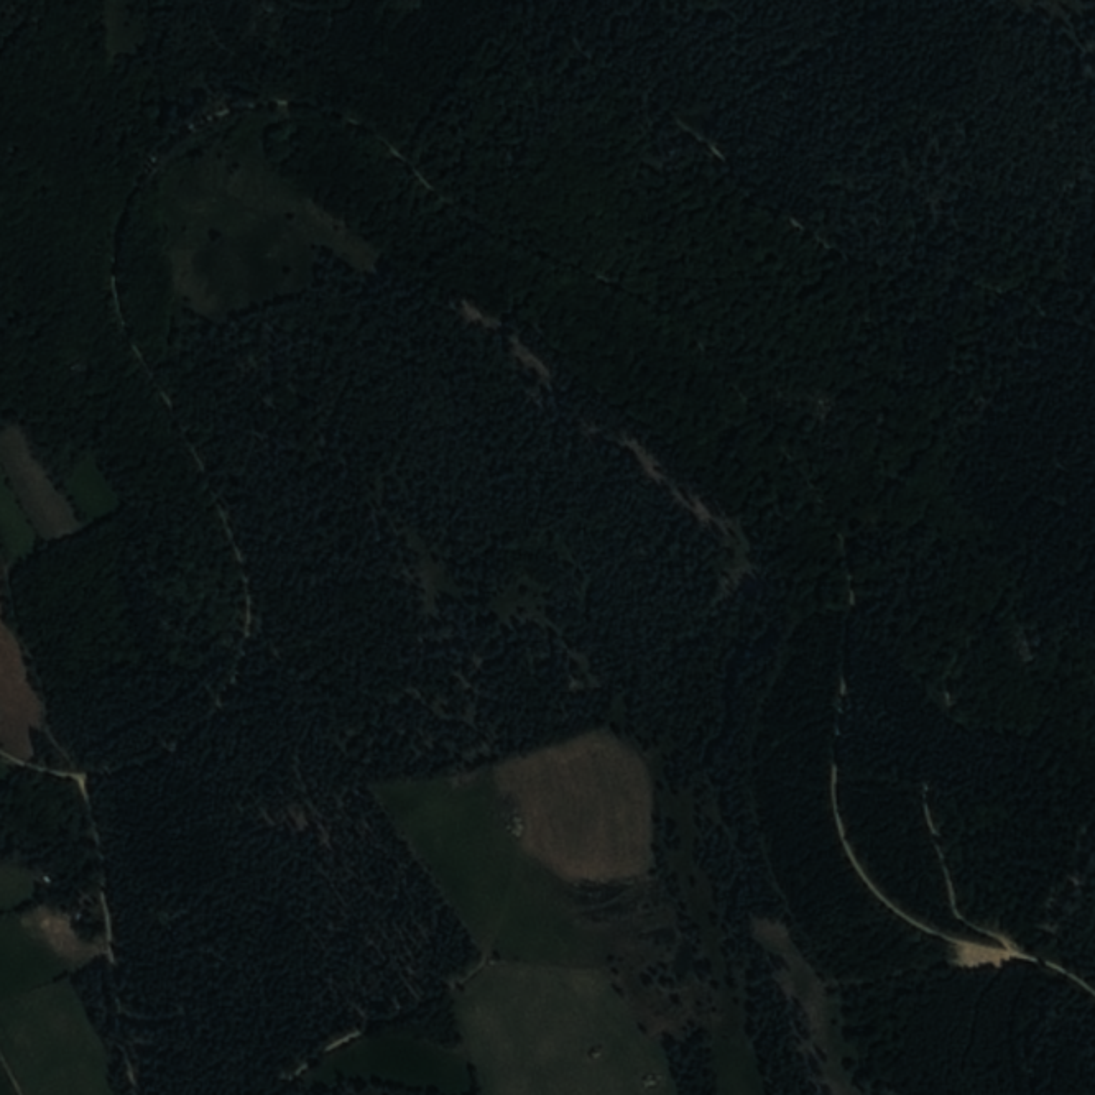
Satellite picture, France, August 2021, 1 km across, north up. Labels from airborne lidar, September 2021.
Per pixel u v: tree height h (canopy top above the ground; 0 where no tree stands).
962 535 14
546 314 19
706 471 24
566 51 15
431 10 10
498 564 15
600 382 21
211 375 14
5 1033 0
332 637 11
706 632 14
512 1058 0
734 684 28
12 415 17
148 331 16
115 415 18
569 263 8
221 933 24
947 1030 13
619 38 20
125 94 14
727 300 12
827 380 15
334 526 18
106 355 11
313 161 17
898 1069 13
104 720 9
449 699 12
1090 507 19
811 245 16
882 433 14
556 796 0
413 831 0
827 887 11
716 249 18
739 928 20
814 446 17
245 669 21
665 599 16
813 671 8
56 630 11
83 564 12
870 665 23
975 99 11
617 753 0
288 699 21
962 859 10
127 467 15
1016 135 7
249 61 8
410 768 14
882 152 20
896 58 20
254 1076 24
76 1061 0
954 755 22
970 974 12
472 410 16
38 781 6
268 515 11
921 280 18
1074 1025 13
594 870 0
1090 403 20
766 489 19
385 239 16
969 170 6
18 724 0
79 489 0
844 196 11
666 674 19
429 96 9
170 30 14
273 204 0
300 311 10
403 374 12
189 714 26
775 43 19
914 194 11
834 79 23
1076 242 13
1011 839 20
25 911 9
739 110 19
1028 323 21
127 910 22
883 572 7
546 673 11
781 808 10
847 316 17
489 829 0
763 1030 8
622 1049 0
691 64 13
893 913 8
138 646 17
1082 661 17
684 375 18
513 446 22
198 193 0
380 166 16
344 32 10
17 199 15
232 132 16
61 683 11
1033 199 15
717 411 21
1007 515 16
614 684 11
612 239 13
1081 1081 20
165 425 14
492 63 6
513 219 16
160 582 12
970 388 20
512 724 15
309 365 11
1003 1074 15
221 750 23
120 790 17
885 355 16
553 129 17
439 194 11
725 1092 0
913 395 18
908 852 9
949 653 9
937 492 15
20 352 12
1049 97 14
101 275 14
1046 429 18
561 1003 0
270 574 19
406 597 14
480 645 19
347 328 11
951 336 20
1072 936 16
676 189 16
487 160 15
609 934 0
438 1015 16
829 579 14
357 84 7
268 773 21
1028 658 8
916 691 22
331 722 21
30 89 16
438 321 15
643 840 0
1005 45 8
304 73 7
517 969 0
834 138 21
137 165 12
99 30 13
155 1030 24
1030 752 20
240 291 0
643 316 21
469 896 0
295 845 20
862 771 18
